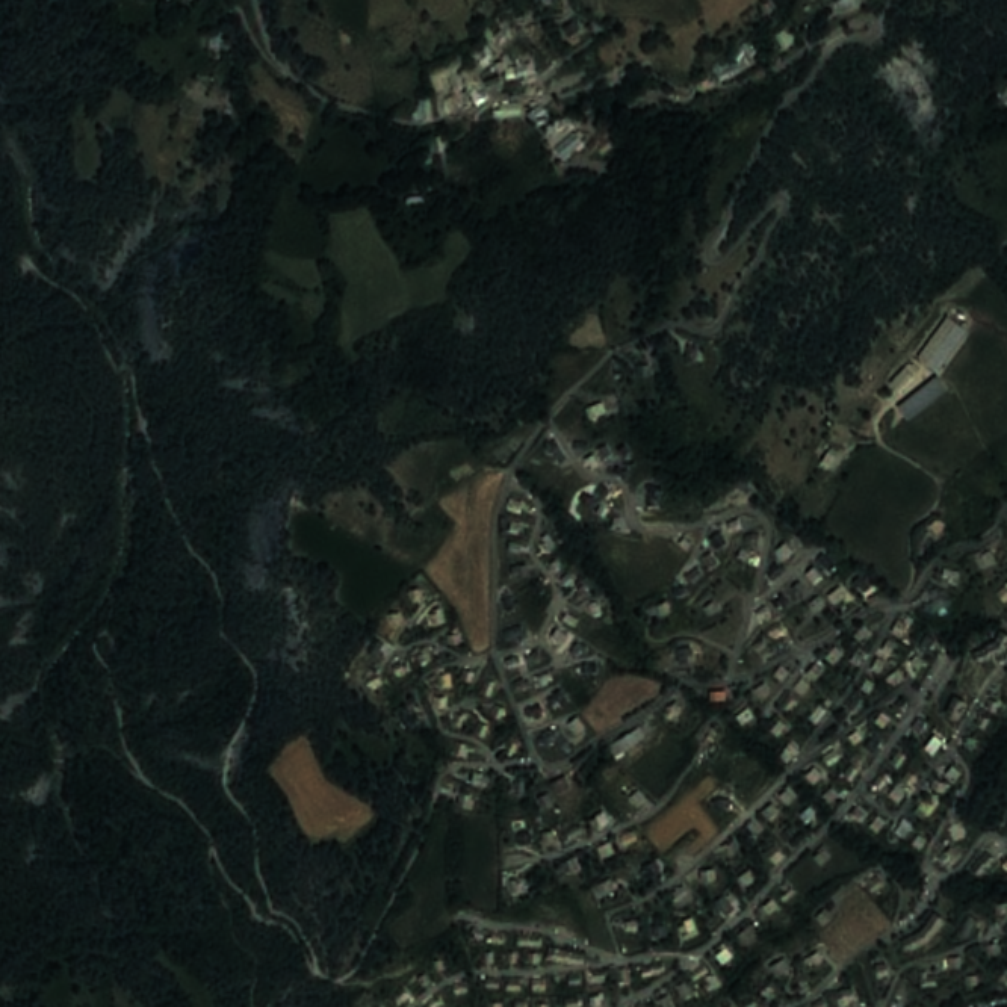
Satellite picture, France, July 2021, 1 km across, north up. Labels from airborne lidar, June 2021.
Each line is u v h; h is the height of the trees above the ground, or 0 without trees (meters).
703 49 15
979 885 13
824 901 7
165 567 19
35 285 17
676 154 15
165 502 17
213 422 14
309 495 8
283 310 11
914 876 16
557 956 0
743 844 8
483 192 8
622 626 12
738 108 12
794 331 9
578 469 0
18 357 15
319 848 17
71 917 21
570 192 16
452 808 7
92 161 0
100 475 9
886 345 0
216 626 13
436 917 0
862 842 11
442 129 15
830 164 6
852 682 8
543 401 9
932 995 6
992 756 14
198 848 17
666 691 7
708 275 0
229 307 10
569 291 16
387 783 15
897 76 0
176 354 6
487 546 0
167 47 0
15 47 21
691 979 6
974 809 21
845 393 0
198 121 0
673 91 10
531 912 0
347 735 13
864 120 12
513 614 0
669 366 14
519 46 0
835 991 6
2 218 16
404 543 0
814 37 10
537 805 6
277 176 19
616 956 0
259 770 6
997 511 9
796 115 18
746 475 16
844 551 18
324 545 0
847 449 0
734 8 0
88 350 16
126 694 15
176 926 6
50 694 8
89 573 13
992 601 0
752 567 0
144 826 17
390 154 9
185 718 9
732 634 0
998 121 16
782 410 9
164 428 19
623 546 0
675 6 0
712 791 0
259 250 6
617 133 13
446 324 9
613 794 0
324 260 11
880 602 0
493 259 12
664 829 0
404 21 0
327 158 0
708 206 11
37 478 6
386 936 8
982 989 7
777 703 8
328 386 10
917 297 10
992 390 0
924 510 0
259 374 7
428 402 6
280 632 6
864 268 14
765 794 0
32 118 15
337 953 15
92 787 14
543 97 0
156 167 0
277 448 8
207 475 19
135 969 20
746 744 7
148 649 11
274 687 7
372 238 0
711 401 0
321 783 0
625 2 0
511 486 0
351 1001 8
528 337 14
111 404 11
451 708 0
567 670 0
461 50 7
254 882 7
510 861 0
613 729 0
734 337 8
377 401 11
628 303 0
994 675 0
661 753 0
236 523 14
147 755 7
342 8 0
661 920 9
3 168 15
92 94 16
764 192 16
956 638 17
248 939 12
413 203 10
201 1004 0
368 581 0
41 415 9
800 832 7
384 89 0
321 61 20
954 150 7
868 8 8
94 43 21
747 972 11
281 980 9
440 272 0
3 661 14
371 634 15
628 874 0
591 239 18
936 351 0
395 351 11
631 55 7
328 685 15
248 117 9
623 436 0
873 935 0
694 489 9
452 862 6
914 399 0
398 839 12
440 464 0
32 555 9
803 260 9
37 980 12
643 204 19
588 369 0
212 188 13
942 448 0
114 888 22
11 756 6
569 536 12
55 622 8
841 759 6
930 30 16
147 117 0
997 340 0
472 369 14
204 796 7
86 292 15
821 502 0
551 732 0
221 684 7
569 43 7
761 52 8
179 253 0
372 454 7
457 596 0
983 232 13
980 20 12
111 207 17
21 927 10
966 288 0
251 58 22
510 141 0
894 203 12
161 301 11
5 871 7
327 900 12
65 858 10
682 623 0
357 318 0
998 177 0
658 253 14
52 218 15
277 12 16
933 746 0
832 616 15
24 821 6
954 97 7
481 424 11
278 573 7
